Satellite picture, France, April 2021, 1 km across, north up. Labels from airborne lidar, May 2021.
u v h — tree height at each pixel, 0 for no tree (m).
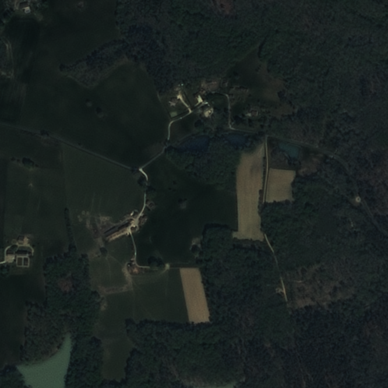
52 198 0
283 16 19
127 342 0
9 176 0
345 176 27
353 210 26
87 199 0
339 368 21
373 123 17
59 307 17
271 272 16
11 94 0
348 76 18
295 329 14
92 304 24
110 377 0
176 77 19
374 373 22
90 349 25
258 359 30
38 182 0
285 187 0
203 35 23
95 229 0
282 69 15
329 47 23
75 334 23
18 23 0
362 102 20
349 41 20
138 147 0
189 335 28
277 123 18
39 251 0
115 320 0
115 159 0
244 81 0
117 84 0
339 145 17
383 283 23
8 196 0
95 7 0
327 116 18
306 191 9
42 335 18
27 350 15
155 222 0
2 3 0
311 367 23
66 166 0
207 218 0
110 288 0
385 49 30
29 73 0
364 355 19
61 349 7
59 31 0
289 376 24
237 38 26
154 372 17
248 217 0
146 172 0
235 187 14
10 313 0
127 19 8
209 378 19
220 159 26
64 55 0
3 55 6
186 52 16
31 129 0
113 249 0
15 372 23
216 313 6
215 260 20
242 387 16
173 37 11
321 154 0
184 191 0
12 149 0
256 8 15
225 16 19
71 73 10
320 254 15
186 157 20
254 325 13
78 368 19
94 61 18
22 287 0
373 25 22
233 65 10
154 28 13
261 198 9
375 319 23
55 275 14
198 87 0
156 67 26
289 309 12
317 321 25
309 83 20
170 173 0
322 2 15
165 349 30
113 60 20
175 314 0
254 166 0
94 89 0
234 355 24
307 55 12
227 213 0
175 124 0
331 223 12
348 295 24
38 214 0
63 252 0
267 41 20
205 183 20
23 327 0
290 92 18
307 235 18
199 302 0
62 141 0
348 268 23
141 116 0
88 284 15
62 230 0
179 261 0
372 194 21
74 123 0
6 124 0
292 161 14
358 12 20
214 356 19
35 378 0
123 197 0
